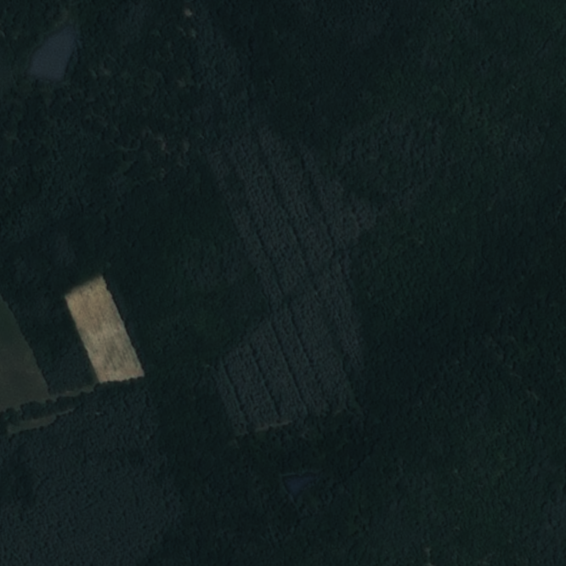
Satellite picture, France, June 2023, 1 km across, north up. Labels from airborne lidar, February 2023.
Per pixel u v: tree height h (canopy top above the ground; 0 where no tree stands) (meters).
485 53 19
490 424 19
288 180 22
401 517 12
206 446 22
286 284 25
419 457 18
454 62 22
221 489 26
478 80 17
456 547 16
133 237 23
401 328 25
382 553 16
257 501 25
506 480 15
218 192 21
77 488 26
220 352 12
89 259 20
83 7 20
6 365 0
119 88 12
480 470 18
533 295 8
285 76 21
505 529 13
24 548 20
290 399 25
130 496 23
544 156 19
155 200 22
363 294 17
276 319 24
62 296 12
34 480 24
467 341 11
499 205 10
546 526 24
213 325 12
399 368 23
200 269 13
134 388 20
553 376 8
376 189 12
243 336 10
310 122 18
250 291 15
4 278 15
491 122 13
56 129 14
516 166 17
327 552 15
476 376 21
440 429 15
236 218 23
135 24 20
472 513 12
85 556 22
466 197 18
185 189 20
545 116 19
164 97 13
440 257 17
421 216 18
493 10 21
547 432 18
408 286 7
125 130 16
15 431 0
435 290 20
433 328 8
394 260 12
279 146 25
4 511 21
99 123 16
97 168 20
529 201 18
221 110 19
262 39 24
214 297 15
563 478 18
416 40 19
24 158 16
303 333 25
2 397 0
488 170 16
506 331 18
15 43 15
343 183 16
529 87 20
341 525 22
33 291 19
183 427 23
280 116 19
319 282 25
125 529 24
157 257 20
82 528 24
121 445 26
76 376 20
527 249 18
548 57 26
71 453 23
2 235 20
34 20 14
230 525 22
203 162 20
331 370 20
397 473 18
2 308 0
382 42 22
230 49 23
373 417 21
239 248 24
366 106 22
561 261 12
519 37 19
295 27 17
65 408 19
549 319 17
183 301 17
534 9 16
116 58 21
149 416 27
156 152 14
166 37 15
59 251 21
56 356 13
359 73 19
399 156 11
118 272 22
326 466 7
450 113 17
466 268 24
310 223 23
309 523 23
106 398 22
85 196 23
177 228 17
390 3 18
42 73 0
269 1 24
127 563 25
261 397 26
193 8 13
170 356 19
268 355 26
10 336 0
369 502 15
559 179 12
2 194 16
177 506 25
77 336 13
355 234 24
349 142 6
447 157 12
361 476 20
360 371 19
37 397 0
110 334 0
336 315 23
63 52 0
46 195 17
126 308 21
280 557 22
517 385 21
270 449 15
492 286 11
